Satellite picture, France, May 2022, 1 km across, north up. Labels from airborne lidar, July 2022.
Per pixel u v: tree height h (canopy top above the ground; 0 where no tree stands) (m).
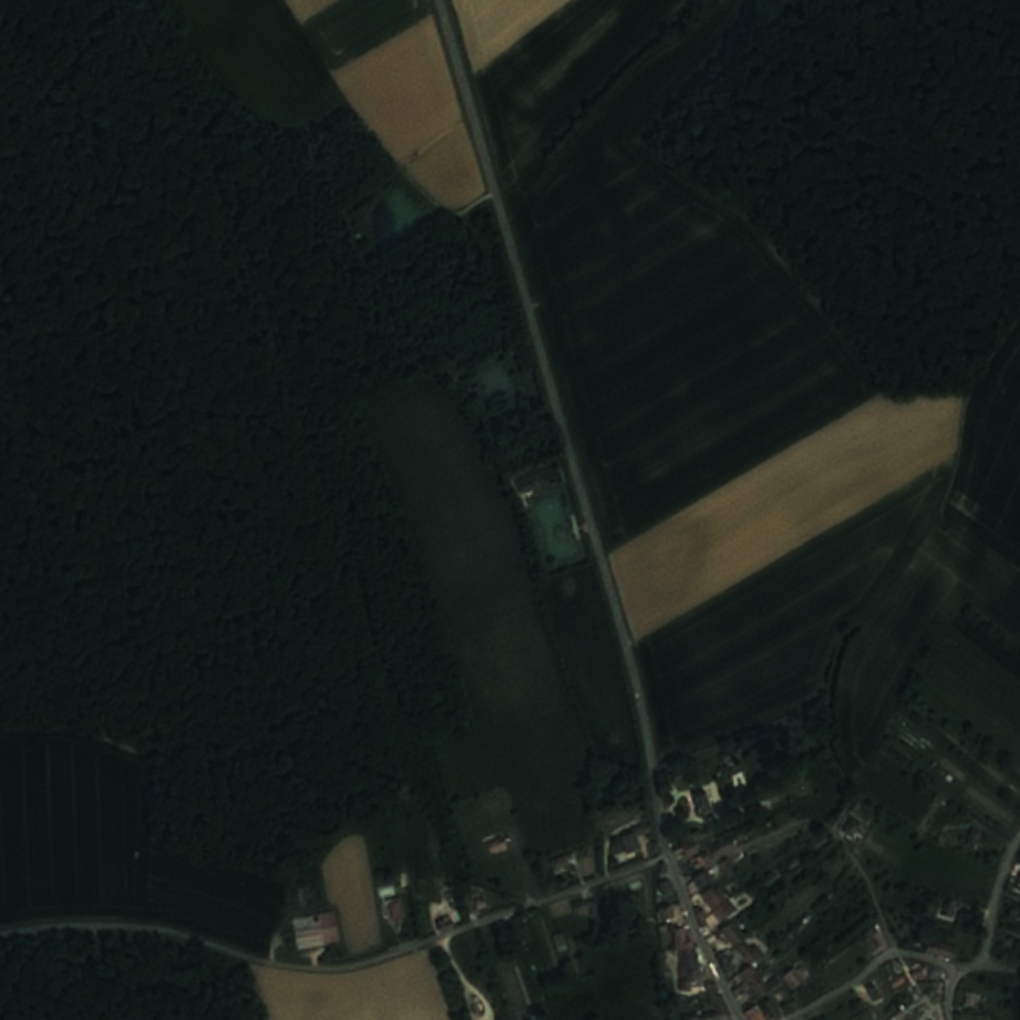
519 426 20
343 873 0
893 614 0
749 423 0
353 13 0
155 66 22
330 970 0
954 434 0
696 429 0
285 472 29
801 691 0
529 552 13
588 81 0
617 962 0
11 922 0
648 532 0
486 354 23
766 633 0
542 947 0
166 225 31
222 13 0
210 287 31
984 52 28
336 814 21
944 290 34
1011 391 0
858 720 0
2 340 33
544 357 0
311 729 27
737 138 32
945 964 0
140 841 0
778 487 0
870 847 0
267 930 0
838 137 34
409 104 0
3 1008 32
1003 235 35
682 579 0
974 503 0
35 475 30
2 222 28
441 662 28
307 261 30
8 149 30
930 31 34
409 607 26
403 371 12
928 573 0
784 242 23
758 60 33
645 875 0
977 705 0
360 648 27
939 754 0
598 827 0
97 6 29
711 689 0
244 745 14
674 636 0
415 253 20
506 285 9
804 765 8
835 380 0
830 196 32
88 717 29
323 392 27
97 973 24
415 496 0
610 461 0
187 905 0
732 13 0
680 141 29
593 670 0
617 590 0
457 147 0
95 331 32
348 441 22
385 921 0
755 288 0
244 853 25
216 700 29
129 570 25
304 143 23
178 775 30
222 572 27
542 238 0
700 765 11
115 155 25
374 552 25
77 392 34
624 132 0
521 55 0
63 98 26
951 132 33
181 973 28
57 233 29
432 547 0
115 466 30
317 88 0
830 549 0
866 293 33
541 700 0
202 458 32
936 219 32
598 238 0
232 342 32
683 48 0
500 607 0
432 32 0
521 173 0
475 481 0
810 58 36
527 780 0
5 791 0
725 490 0
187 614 31
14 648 31
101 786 0
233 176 28
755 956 0
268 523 31
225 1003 23
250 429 27
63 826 0
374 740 30
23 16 29
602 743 0
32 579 34
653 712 0
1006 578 0
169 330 29
